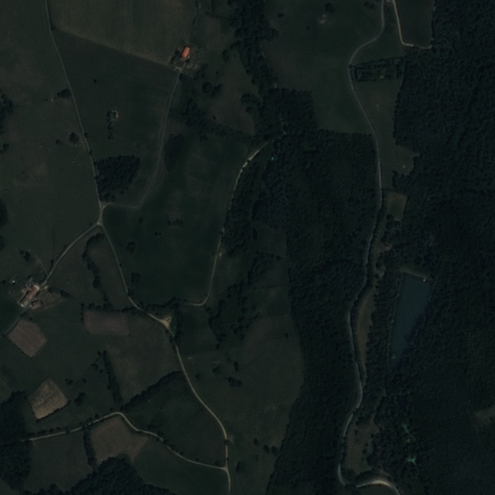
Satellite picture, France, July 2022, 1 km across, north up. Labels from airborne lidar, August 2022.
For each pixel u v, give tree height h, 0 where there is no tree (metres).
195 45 0
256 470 0
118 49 0
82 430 8
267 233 0
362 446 0
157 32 0
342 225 9
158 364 0
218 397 0
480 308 16
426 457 14
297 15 0
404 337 0
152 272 0
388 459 14
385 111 0
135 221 0
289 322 0
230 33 0
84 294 0
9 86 0
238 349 0
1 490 0
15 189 0
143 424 0
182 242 0
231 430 0
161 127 0
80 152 0
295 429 6
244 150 0
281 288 0
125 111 0
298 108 10
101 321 0
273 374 0
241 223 20
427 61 10
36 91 0
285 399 0
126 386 0
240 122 0
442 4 11
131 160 11
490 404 8
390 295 14
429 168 22
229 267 0
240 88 0
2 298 0
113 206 0
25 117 0
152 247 0
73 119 0
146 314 9
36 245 0
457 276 17
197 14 0
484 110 17
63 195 0
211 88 16
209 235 0
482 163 10
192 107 18
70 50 0
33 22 0
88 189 0
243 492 0
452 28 15
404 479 20
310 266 7
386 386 18
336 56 0
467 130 21
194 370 0
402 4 0
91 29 0
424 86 8
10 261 0
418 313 0
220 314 11
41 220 0
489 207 12
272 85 5
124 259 0
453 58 13
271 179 18
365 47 0
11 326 0
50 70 0
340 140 7
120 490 14
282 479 12
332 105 0
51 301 0
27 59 0
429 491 25
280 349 0
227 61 6
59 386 0
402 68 6
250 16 22
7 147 10
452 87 17
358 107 0
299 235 13
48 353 0
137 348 0
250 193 14
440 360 17
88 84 0
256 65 21
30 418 0
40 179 0
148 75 0
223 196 0
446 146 23
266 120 8
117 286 0
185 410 0
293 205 7
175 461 0
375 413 9
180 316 8
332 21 0
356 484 14
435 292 9
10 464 12
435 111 19
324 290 23
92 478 16
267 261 10
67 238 0
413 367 20
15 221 0
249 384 0
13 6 0
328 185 8
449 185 29
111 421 0
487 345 10
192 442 0
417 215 11
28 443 14
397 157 0
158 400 0
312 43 0
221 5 0
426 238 30
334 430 6
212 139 0
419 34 0
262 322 0
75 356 0
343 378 6
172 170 13
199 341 0
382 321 18
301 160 9
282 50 0
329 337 10
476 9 14
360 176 6
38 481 0
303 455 13
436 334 16
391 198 0
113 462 20
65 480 0
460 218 13
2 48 0
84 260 7
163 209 0
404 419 14
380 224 9
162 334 0
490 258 22
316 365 11
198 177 0
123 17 0
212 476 0
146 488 19
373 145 7
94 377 0
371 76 11
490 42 12
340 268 27
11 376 0
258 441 14
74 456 0
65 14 0
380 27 0
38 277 0
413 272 0
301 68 0
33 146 0
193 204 0
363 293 11
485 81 17
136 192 0
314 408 15
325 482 14
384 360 19
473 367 9
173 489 0
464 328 19
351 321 7
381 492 0
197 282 0
